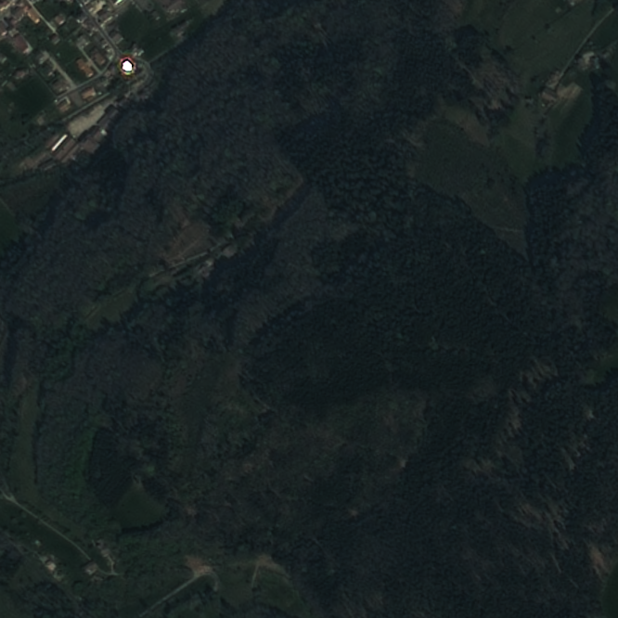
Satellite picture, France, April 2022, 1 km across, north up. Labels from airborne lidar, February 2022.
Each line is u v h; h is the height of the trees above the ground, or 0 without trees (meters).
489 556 25
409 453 19
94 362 27
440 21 32
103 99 0
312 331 23
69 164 0
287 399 21
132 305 0
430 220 28
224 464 19
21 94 0
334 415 18
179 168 38
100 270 36
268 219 0
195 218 28
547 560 22
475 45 31
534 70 0
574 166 0
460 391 24
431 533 26
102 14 0
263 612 25
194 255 0
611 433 31
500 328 29
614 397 29
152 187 37
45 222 7
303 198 0
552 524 24
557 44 0
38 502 0
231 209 19
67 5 8
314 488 19
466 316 26
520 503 26
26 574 0
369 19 26
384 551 23
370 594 23
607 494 26
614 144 35
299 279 33
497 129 17
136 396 24
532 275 30
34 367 18
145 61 0
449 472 31
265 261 22
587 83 0
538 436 28
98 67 0
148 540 26
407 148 29
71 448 17
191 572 20
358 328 22
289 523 22
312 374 18
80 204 31
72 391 26
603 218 28
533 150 0
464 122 0
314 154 27
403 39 28
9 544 25
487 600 24
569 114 0
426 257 21
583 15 0
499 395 21
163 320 24
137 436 24
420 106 23
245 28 38
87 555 0
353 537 24
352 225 28
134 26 0
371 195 30
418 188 28
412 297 25
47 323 28
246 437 25
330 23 26
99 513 19
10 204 0
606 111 29
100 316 0
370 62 25
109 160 20
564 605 22
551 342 30
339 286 27
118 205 18
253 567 0
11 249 0
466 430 18
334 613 27
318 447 23
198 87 36
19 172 0
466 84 32
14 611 0
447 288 27
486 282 17
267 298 30
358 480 24
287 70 20
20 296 30
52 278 36
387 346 27
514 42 0
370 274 26
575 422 28
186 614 0
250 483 13
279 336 19
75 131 0
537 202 31
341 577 21
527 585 20
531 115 0
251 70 19
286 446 18
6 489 18
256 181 37
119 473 18
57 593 28
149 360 24
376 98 27
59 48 0
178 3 0
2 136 20
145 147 38
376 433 18
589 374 25
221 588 0
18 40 0
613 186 35
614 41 0
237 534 25
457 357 22
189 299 21
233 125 39
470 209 23
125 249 28
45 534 0
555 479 31
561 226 32
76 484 23
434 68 30
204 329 26
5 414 21
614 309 0
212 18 0
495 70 0
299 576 27
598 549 22
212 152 39
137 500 0
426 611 20
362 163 28
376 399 16
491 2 0
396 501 24
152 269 22
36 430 0
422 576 23
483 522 27
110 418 23
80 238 37
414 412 23
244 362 26
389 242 24
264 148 39
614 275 31
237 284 22
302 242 32
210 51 32
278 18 27
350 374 17
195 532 28
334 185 32
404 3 26
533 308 29
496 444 25
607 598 0
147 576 20
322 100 20
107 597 10
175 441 16
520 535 24
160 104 9
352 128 25
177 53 11
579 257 33
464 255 23
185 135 39
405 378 18
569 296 28
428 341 21
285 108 37
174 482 11
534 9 0
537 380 28
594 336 28
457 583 19
